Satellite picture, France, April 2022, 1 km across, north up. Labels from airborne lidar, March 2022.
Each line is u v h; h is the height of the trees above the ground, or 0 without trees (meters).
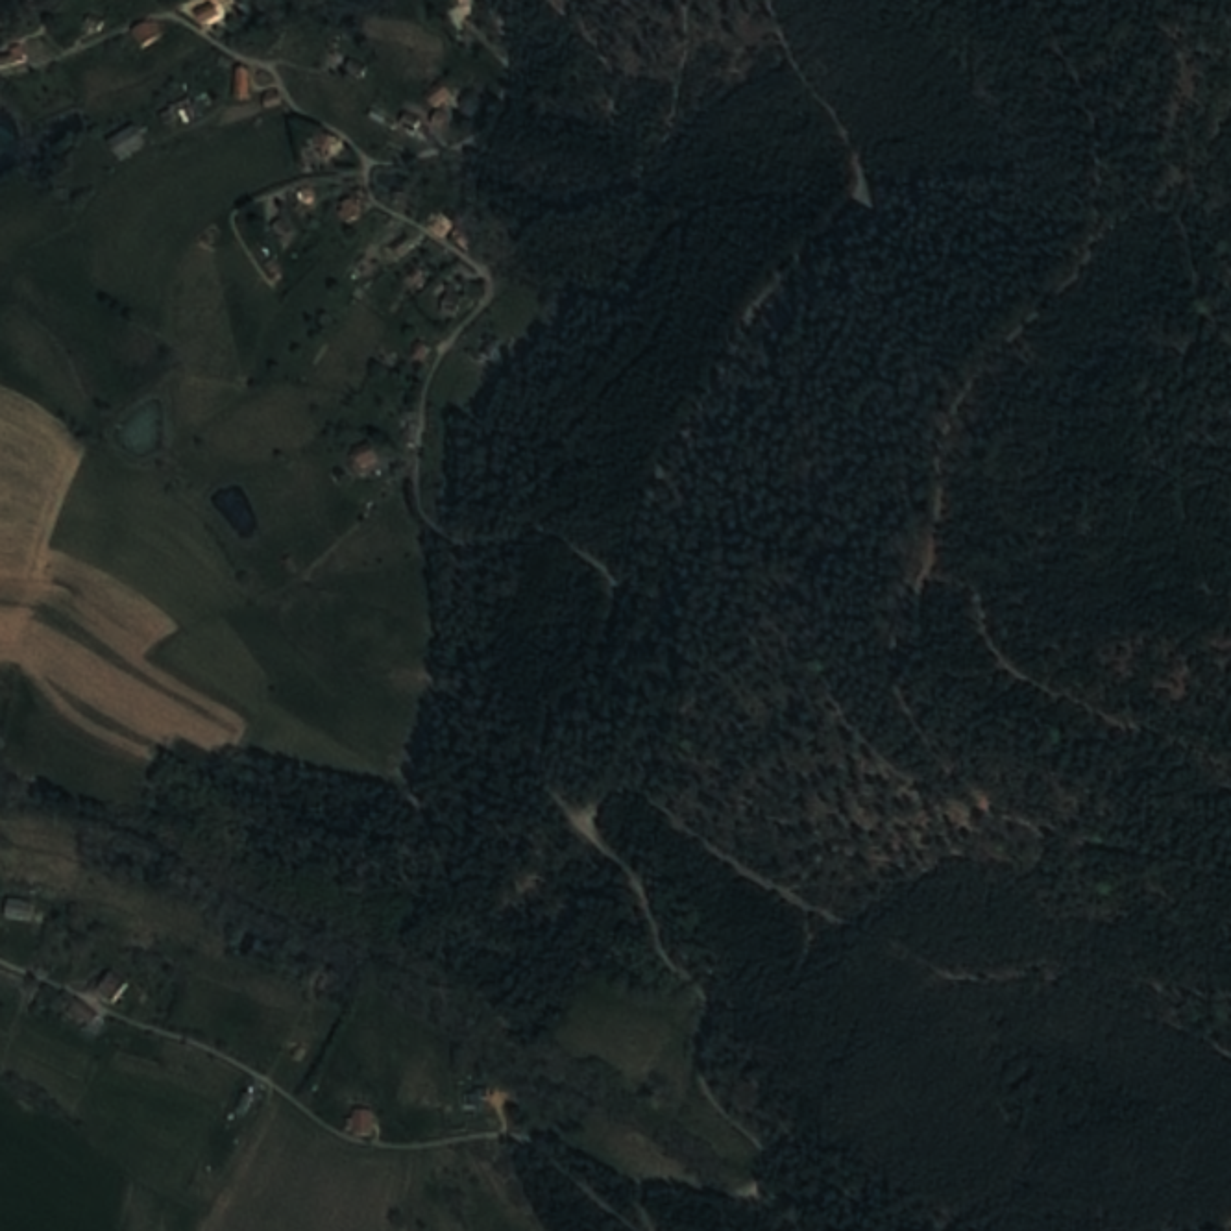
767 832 30
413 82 0
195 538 0
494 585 30
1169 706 10
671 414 19
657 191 13
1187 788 16
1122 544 8
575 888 18
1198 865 18
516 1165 17
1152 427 11
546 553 20
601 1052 0
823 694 25
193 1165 0
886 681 17
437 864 31
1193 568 12
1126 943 17
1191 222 12
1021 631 11
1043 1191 19
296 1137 0
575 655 28
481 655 12
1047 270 24
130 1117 0
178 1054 0
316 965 20
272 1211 0
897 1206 26
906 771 18
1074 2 13
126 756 0
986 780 20
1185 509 12
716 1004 13
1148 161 7
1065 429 6
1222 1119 16
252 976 0
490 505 19
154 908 0
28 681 0
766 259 26
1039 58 21
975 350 28
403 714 0
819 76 7
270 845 26
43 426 0
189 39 0
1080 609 8
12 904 0
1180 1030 12
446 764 33
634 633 17
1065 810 23
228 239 0
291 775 25
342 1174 0
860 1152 12
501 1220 0
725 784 12
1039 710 10
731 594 28
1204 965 18
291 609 0
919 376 24
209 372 0
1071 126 18
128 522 0
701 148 13
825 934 9
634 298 12
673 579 8
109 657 0
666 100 7
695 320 27
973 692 7
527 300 0
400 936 7
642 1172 0
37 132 8
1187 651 11
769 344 7
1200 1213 15
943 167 11
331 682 0
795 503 32
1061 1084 16
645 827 11
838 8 11
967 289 28
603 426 21
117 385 0
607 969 21
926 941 14
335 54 0
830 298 28
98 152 0
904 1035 16
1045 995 18
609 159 13
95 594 0
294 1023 0
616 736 31
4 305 0
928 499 27
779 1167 21
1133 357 14
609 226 35
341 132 0
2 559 0
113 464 0
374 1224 0
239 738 0
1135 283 9
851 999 21
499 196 22
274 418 0
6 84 10
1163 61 13
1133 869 21
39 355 0
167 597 0
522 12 11
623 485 20
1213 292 11
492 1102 0
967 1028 17
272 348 0
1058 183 20
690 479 32
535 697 22
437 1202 0
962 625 8
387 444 11
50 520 0
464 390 0
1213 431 11
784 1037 18
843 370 30
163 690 0
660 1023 0
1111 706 8
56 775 0
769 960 13
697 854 9
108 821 7
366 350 0
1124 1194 14
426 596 0
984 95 13
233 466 0
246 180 0
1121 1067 17
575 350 28
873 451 26
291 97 0
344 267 0
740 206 18
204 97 0
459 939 21
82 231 0
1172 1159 14
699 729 8
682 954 24
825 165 14
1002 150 9
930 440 27
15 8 15
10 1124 0
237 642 0
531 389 25
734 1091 11
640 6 23
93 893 0
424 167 8
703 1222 18
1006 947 14
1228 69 13
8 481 0
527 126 14
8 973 0
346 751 0
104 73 0
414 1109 0
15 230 0
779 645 30
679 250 26
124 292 0
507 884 26
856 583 26
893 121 12
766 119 12
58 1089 0
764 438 26
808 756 29
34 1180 0
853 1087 18
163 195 0
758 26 28
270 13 11
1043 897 9
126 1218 0
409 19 0
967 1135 18
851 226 18
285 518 0
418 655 0
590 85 9
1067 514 9
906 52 13
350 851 28
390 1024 0
